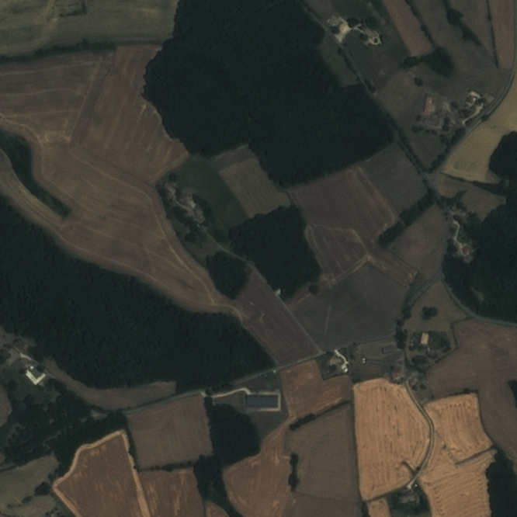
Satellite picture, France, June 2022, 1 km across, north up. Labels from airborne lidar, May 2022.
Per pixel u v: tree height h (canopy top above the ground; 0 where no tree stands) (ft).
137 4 0
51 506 0
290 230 59
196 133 67
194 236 33
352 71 39
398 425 0
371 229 0
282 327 0
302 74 41
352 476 0
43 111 0
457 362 0
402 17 0
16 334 41
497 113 0
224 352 62
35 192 18
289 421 0
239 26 51
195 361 68
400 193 0
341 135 51
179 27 70
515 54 0
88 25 0
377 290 0
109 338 62
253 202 0
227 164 0
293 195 0
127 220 0
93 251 0
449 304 0
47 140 0
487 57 0
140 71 0
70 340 78
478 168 0
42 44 0
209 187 0
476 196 0
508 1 0
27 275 66
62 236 0
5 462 24
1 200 58
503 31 0
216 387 39
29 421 58
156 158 0
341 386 0
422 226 0
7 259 72
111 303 51
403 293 0
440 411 0
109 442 0
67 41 0
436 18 0
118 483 0
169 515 0
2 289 70
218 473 38
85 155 0
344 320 0
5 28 0
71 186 0
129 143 0
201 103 70
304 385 0
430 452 0
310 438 0
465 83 0
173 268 0
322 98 69
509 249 75
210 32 66
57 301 83
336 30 38
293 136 54
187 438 0
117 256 0
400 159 0
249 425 41
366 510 29
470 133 0
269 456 0
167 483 0
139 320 52
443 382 0
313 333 0
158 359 44
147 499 0
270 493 0
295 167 65
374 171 0
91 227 0
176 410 0
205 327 71
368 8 0
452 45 0
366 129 55
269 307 0
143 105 0
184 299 0
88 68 0
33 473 0
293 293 41
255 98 70
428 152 0
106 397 0
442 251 0
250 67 51
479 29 0
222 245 0
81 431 43
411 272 0
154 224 0
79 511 0
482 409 0
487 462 0
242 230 61
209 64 87
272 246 58
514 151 46
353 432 0
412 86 0
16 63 0
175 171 0
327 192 0
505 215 55
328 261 0
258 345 37
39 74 0
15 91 0
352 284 0
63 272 93
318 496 0
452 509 0
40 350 40
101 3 0
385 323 0
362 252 0
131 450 44
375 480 0
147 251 0
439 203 37
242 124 73
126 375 62
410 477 0
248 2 55
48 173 0
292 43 58
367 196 0
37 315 65
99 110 0
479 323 0
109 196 0
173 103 59
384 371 0
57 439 21
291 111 57
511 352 0
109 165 0
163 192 45
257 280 0
